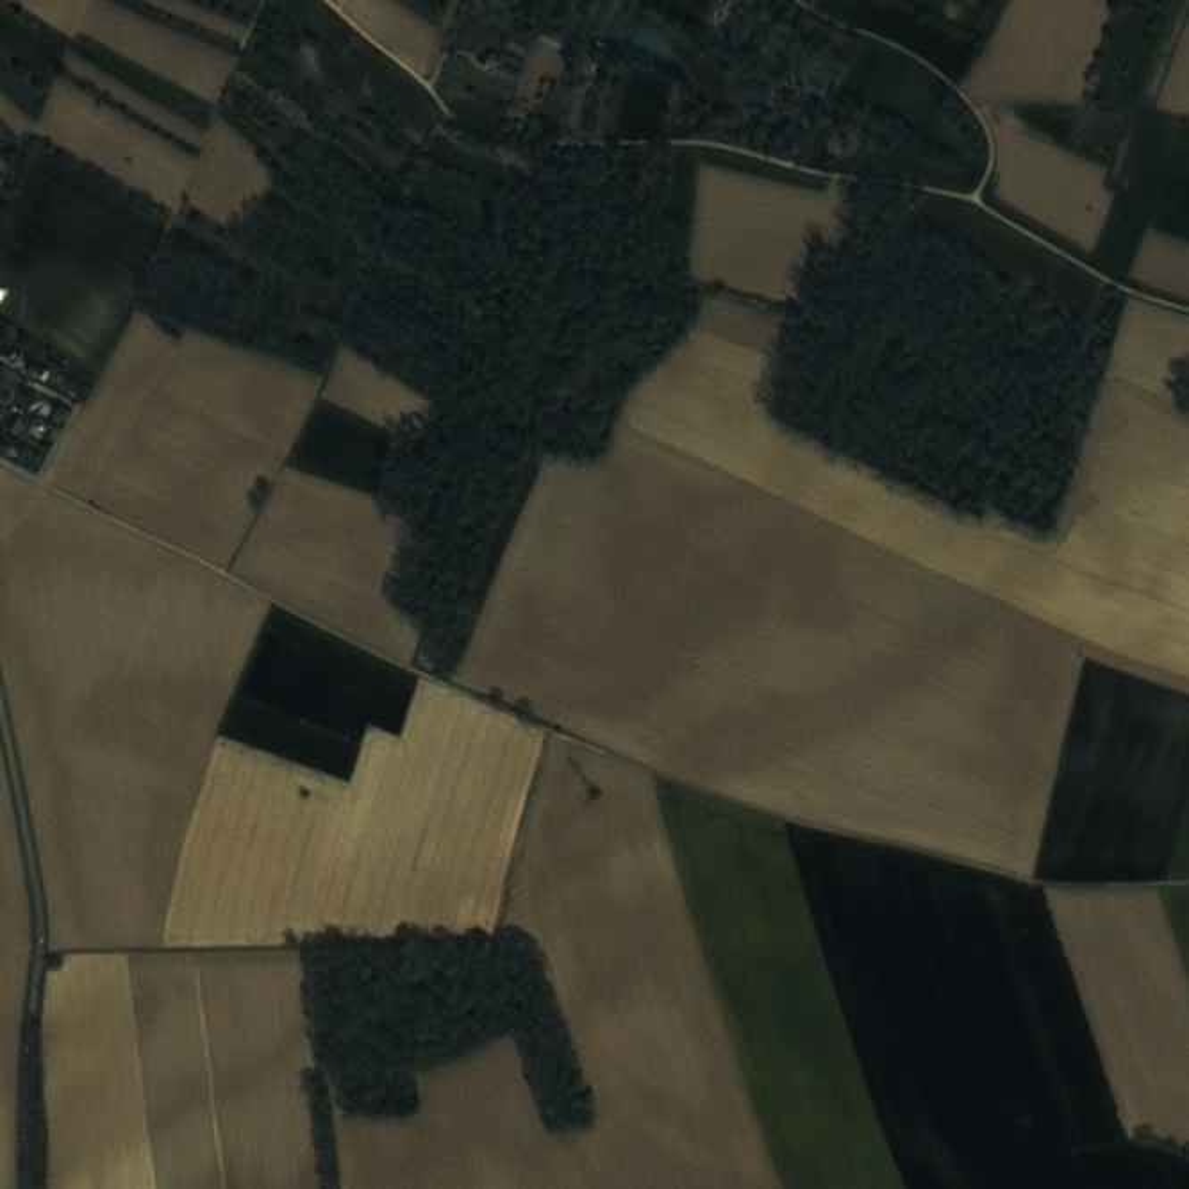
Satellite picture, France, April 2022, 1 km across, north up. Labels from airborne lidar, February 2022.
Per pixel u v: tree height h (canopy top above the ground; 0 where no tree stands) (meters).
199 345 0
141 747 0
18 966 0
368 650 0
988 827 0
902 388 29
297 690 0
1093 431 23
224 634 0
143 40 0
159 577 0
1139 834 0
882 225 26
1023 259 0
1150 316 0
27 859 0
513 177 0
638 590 0
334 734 0
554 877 0
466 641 0
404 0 0
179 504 0
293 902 0
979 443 32
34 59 0
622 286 30
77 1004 0
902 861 0
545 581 0
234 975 0
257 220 24
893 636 0
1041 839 0
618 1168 0
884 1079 0
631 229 22
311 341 9
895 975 0
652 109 0
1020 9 0
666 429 0
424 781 0
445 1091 0
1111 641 0
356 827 0
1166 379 0
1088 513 0
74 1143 0
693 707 0
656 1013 0
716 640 0
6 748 0
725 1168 0
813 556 0
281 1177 0
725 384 0
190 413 0
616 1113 0
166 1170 0
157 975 0
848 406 27
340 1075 19
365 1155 0
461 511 30
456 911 0
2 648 0
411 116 0
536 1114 0
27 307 0
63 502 0
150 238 0
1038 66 0
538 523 0
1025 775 0
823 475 0
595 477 0
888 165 0
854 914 0
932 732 0
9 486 0
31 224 0
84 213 0
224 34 0
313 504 0
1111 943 0
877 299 31
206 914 0
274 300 28
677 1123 0
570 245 22
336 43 0
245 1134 0
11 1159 0
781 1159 0
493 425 35
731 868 0
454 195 0
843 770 0
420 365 24
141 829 0
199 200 0
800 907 0
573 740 0
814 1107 0
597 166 29
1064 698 0
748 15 13
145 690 0
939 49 0
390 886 0
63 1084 0
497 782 0
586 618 0
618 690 0
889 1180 0
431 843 0
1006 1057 0
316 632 0
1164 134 0
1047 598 0
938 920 0
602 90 13
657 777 0
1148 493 0
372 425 0
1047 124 0
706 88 0
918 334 30
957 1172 0
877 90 0
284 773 0
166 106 0
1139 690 0
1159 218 0
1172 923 0
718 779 0
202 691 0
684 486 0
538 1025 25
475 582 24
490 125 0
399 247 23
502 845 0
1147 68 0
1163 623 0
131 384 0
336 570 0
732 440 0
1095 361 29
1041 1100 0
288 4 0
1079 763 0
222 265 28
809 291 27
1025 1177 0
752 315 0
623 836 0
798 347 22
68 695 0
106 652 0
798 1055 0
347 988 27
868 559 0
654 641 0
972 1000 0
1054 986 0
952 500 26
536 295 23
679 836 0
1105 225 0
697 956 0
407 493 28
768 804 0
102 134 0
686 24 12
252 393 0
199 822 0
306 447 0
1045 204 0
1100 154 0
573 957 0
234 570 0
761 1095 0
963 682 0
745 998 0
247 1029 0
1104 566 0
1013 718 0
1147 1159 0
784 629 0
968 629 0
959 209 0
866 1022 0
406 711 0
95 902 0
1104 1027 0
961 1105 0
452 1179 0
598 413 30
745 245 0
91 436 0
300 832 0
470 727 0
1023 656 0
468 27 0
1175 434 0
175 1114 0
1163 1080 0
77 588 0
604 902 0
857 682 0
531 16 0
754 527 0
